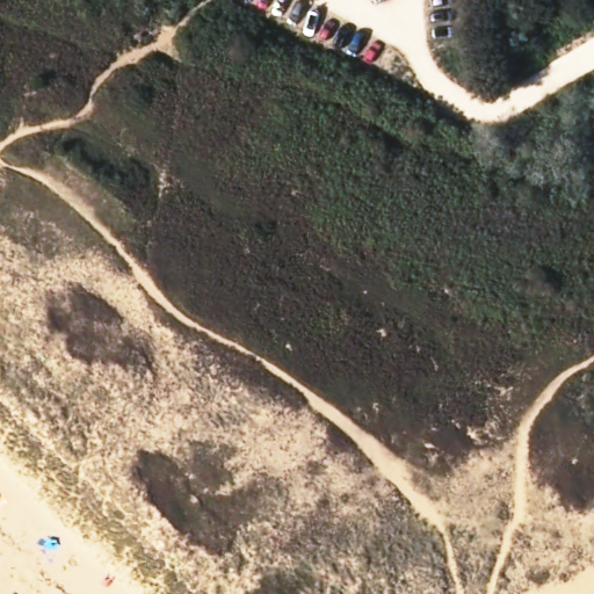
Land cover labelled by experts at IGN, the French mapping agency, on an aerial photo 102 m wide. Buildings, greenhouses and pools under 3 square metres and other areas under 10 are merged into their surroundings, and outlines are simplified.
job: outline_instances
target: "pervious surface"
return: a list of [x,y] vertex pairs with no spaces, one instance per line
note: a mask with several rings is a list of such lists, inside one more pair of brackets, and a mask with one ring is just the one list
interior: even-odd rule
[[162,26],[155,42],[121,53],[104,72],[100,72],[88,90],[88,102],[77,114],[35,125],[19,125],[14,132],[0,139],[0,169],[12,169],[39,181],[60,200],[65,200],[79,216],[84,216],[90,223],[90,227],[97,230],[102,239],[111,244],[132,269],[132,274],[123,276],[114,271],[100,253],[88,251],[86,260],[58,258],[49,260],[39,267],[39,281],[23,281],[14,285],[9,274],[19,269],[19,265],[26,258],[0,258],[0,306],[14,302],[26,318],[35,318],[37,313],[44,318],[46,292],[70,290],[79,283],[88,292],[100,295],[114,309],[118,309],[118,313],[128,318],[142,334],[153,336],[153,350],[165,348],[169,353],[169,360],[188,362],[195,353],[190,353],[188,348],[176,348],[174,332],[160,325],[146,306],[146,299],[153,297],[167,313],[172,313],[186,327],[202,332],[209,339],[255,360],[269,374],[302,392],[316,411],[320,411],[339,429],[343,429],[376,464],[378,476],[390,478],[413,504],[413,508],[441,531],[455,594],[594,594],[594,513],[566,510],[559,501],[559,494],[552,487],[536,485],[536,478],[529,473],[529,434],[536,418],[552,401],[557,390],[571,376],[594,364],[594,353],[566,367],[548,383],[548,387],[522,415],[517,432],[504,448],[471,452],[469,459],[455,466],[450,476],[450,501],[429,501],[411,483],[408,466],[404,459],[394,457],[383,443],[378,443],[371,434],[360,429],[350,418],[346,418],[336,406],[318,397],[309,385],[304,385],[299,378],[281,369],[278,364],[274,364],[269,357],[244,346],[237,339],[230,339],[202,325],[200,320],[183,313],[179,306],[174,306],[149,276],[149,271],[139,265],[139,260],[125,248],[125,244],[118,237],[114,237],[114,232],[95,216],[93,207],[88,207],[79,195],[74,195],[63,181],[53,179],[42,169],[19,165],[16,160],[2,160],[2,151],[7,146],[32,135],[65,128],[79,125],[93,114],[93,102],[97,100],[100,88],[121,67],[139,63],[142,58],[155,51],[172,56],[176,51],[174,35],[181,32],[202,9],[207,9],[216,0],[200,0],[197,5],[190,5],[183,16],[174,26]]
[[434,56],[443,49],[452,49],[462,39],[462,26],[466,21],[464,0],[241,0],[274,16],[292,32],[304,35],[311,42],[318,42],[327,49],[329,49],[353,58],[364,58],[369,65],[376,65],[399,79],[406,79],[413,86],[422,86],[434,97],[462,111],[466,118],[490,123],[501,123],[522,114],[543,97],[557,93],[562,86],[594,70],[594,32],[559,49],[557,58],[550,63],[550,67],[536,84],[515,88],[508,97],[483,102],[462,86],[457,86],[436,65]]

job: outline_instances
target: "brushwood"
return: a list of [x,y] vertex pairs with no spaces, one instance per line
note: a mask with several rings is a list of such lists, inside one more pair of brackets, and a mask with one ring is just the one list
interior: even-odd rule
[[155,9],[158,14],[160,9],[174,9],[183,16],[190,5],[197,5],[200,0],[144,0],[146,7]]
[[65,128],[32,135],[44,151],[53,155],[67,155],[72,165],[88,174],[100,188],[118,197],[135,218],[151,218],[158,209],[158,174],[137,158],[128,158],[123,167],[109,162],[102,155],[102,151],[97,151],[81,137],[72,137]]
[[562,86],[557,93],[543,97],[522,114],[501,123],[490,123],[466,118],[462,111],[434,97],[422,86],[413,86],[406,79],[399,79],[376,65],[369,65],[364,58],[353,58],[329,49],[336,63],[350,65],[353,74],[367,77],[369,81],[378,81],[381,86],[390,88],[418,109],[434,111],[434,128],[439,128],[446,121],[462,135],[476,130],[473,158],[480,167],[499,167],[515,176],[517,165],[513,165],[513,155],[520,153],[522,158],[534,158],[529,181],[541,186],[564,181],[566,169],[585,172],[589,165],[594,165],[594,70]]
[[483,102],[508,97],[515,88],[508,81],[506,72],[492,79],[492,72],[487,72],[485,67],[471,65],[471,79],[462,86]]
[[237,35],[246,42],[246,46],[255,49],[255,53],[260,56],[278,58],[292,72],[297,58],[309,67],[309,72],[313,72],[313,67],[318,65],[318,56],[323,56],[323,51],[327,49],[318,42],[311,42],[304,35],[292,32],[274,16],[241,0],[216,0],[207,9],[213,14],[213,23],[232,26]]

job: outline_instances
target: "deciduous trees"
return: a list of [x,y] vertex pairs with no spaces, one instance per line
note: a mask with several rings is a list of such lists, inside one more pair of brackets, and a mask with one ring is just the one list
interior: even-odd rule
[[550,63],[557,58],[559,49],[594,32],[594,0],[464,0],[466,21],[462,26],[462,39],[471,65],[485,67],[487,72],[492,72],[492,79],[506,72],[508,81],[515,88],[536,84],[550,67]]

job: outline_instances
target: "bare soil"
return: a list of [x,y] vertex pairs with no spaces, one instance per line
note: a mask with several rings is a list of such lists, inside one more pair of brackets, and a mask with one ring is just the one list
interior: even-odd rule
[[165,348],[153,350],[153,336],[142,334],[128,318],[118,313],[118,309],[114,309],[100,295],[88,292],[79,283],[70,290],[46,292],[44,318],[37,313],[35,318],[26,318],[14,302],[0,306],[0,594],[455,594],[441,531],[413,508],[413,504],[390,478],[378,476],[376,464],[343,429],[339,429],[320,411],[316,411],[302,392],[269,374],[255,360],[209,339],[202,332],[186,327],[172,313],[167,313],[153,297],[146,299],[146,306],[160,325],[174,332],[176,348],[188,348],[190,353],[195,353],[188,362],[169,360],[169,353]]
[[88,251],[81,244],[81,239],[72,237],[58,223],[42,220],[39,230],[53,232],[60,241],[58,258],[86,260]]
[[408,466],[411,483],[429,501],[450,501],[450,476],[432,476],[422,469]]
[[42,253],[26,251],[23,246],[9,241],[5,237],[5,227],[0,227],[0,258],[26,258],[19,265],[19,269],[9,274],[14,285],[23,281],[39,281],[39,267],[49,260]]

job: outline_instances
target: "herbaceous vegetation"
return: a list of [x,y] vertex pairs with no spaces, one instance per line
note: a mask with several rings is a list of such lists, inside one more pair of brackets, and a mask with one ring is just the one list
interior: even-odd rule
[[77,114],[88,102],[88,90],[100,72],[104,72],[121,53],[155,42],[162,26],[174,26],[183,16],[174,9],[160,9],[158,14],[155,9],[146,7],[144,0],[0,0],[0,139],[14,132],[19,125],[35,125]]
[[309,72],[309,67],[297,58],[292,72],[278,58],[260,56],[255,53],[255,49],[246,46],[246,42],[237,35],[232,26],[213,23],[213,14],[207,9],[202,9],[181,32],[174,35],[176,51],[172,56],[155,51],[142,58],[139,63],[121,67],[100,88],[97,100],[93,102],[93,114],[79,125],[65,128],[72,137],[81,137],[97,151],[102,151],[102,155],[109,162],[123,167],[128,158],[137,158],[158,174],[158,209],[151,218],[135,218],[118,197],[100,188],[88,174],[72,165],[67,155],[53,155],[44,151],[32,135],[7,146],[2,151],[2,160],[16,160],[19,165],[42,169],[53,179],[63,181],[74,195],[79,195],[88,207],[93,207],[95,216],[114,232],[114,237],[118,237],[125,244],[125,248],[139,260],[139,265],[149,271],[149,276],[174,306],[179,306],[183,313],[200,320],[202,325],[230,339],[237,339],[244,346],[269,357],[274,364],[278,364],[281,369],[299,378],[304,385],[309,385],[318,397],[336,406],[346,418],[350,418],[360,429],[371,434],[378,443],[383,443],[394,457],[404,459],[408,466],[422,469],[432,476],[450,476],[455,466],[469,459],[471,452],[504,448],[517,432],[522,415],[548,387],[548,383],[566,367],[594,353],[594,165],[589,165],[585,172],[566,169],[564,181],[541,186],[529,181],[534,158],[522,158],[520,153],[513,155],[513,165],[517,165],[515,176],[499,167],[480,167],[473,158],[476,130],[462,135],[446,121],[439,128],[434,128],[434,111],[418,109],[390,88],[381,86],[378,81],[369,81],[367,77],[353,74],[350,65],[336,63],[329,49],[327,49],[323,51],[323,56],[318,56],[318,65],[313,67],[313,72]]
[[0,169],[0,227],[5,227],[5,237],[9,241],[23,246],[26,251],[42,253],[49,260],[58,258],[60,241],[53,232],[39,230],[42,220],[58,223],[72,237],[81,239],[81,244],[88,251],[100,253],[114,271],[123,276],[132,274],[132,269],[111,244],[102,239],[97,230],[90,227],[90,223],[84,216],[79,216],[65,200],[60,200],[39,181],[12,169]]
[[552,487],[559,494],[559,501],[566,510],[594,513],[594,364],[571,376],[557,390],[552,401],[536,418],[529,434],[529,473],[536,478],[536,485]]
[[436,65],[457,86],[462,86],[471,79],[471,65],[462,39],[452,49],[443,49],[434,56]]

